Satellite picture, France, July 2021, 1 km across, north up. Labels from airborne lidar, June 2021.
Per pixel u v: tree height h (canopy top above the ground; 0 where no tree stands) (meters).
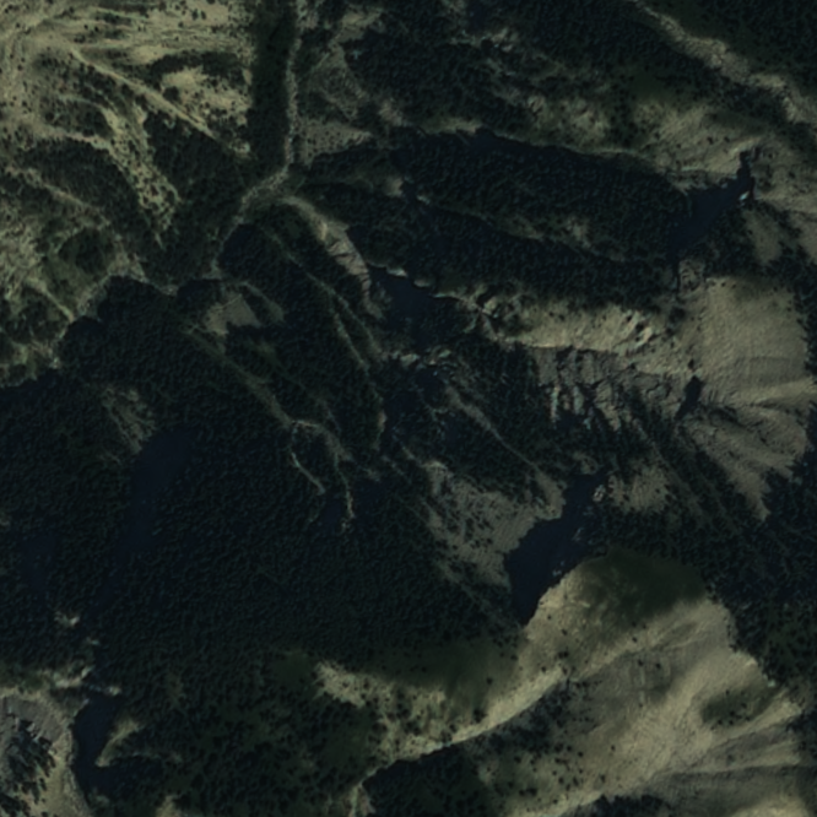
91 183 6
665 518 9
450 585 8
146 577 23
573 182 15
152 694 26
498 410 13
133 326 17
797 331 0
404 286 0
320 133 0
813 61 11
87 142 8
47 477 15
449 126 0
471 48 10
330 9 9
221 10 0
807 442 0
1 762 0
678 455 9
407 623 19
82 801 0
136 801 18
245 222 0
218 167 16
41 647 17
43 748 20
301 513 14
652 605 0
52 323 14
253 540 26
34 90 8
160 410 21
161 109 8
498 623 0
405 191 0
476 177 11
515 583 0
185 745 18
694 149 0
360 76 9
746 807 0
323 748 12
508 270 7
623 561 0
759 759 0
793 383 0
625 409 0
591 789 0
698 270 6
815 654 12
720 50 0
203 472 28
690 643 0
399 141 7
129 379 14
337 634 17
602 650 0
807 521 17
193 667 16
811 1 13
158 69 8
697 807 0
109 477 11
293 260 0
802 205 0
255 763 26
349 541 11
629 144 16
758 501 0
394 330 13
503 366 18
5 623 25
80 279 0
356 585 21
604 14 17
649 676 0
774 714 0
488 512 0
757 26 13
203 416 23
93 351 14
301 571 20
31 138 8
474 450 14
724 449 0
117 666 18
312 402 9
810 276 16
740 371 0
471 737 0
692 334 0
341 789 10
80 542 16
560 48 17
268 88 8
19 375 9
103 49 0
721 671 0
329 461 6
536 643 0
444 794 14
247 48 0
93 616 10
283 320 0
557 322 0
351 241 0
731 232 14
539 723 7
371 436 7
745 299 0
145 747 17
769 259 0
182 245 15
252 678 7
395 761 0
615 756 0
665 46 15
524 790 7
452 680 0
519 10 11
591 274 14
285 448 14
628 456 12
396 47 8
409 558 15
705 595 0
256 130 9
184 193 11
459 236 9
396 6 7
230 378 15
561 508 0
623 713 0
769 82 0
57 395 19
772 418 0
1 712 0
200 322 7
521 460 7
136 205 11
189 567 20
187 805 23
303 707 9
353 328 17
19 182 9
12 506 9
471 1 0
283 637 14
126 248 7
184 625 23
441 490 0
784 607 9
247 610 21
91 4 0
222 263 6
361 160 18
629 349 0
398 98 10
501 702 0
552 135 8
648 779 0
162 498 16
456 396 0
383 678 0
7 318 10
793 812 0
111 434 12
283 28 11
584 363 0
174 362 25
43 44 0
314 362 22
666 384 0
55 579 20
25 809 9
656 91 0
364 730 0
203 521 23
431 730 0
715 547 14
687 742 0
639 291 14
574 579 0
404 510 9
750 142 0
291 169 7
